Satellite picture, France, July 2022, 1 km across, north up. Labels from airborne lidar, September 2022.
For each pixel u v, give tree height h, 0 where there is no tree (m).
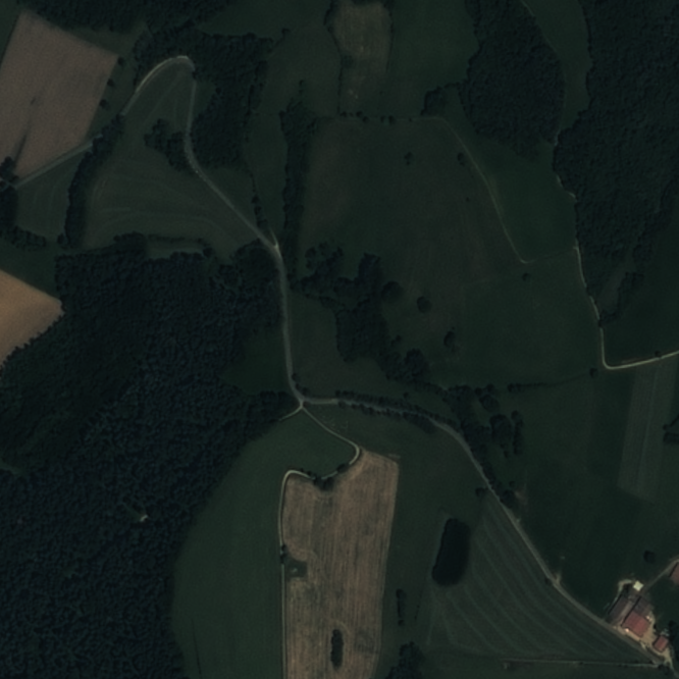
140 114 0
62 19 21
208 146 16
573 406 0
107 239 0
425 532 0
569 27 0
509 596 0
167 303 30
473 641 0
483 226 0
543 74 22
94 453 26
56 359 9
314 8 0
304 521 0
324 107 0
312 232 0
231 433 24
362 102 0
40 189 0
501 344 0
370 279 29
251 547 0
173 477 33
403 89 0
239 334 22
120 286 27
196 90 0
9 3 0
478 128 14
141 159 0
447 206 0
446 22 0
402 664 8
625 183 7
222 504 0
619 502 0
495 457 0
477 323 0
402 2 0
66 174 0
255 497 0
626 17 16
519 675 0
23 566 24
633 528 0
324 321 0
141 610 27
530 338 0
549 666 0
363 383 0
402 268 0
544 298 0
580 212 14
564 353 0
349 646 0
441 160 0
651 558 14
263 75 16
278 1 0
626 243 11
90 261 18
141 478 29
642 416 0
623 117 12
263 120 0
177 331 27
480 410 0
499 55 19
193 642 0
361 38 0
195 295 28
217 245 0
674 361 0
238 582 0
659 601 0
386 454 0
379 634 0
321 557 0
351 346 16
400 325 0
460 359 0
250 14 0
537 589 0
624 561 0
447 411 0
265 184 0
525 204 0
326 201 0
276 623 0
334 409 0
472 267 0
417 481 0
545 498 0
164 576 24
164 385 28
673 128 7
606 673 0
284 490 0
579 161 18
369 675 0
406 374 17
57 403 9
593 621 0
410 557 0
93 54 0
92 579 29
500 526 0
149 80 0
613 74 15
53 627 21
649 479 0
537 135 19
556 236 0
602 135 13
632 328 0
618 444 0
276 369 0
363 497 0
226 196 0
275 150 0
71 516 33
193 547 0
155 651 33
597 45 17
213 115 19
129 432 26
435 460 0
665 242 0
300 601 0
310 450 0
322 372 0
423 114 9
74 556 29
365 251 0
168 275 26
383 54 0
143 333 24
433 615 0
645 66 19
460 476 0
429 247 0
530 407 0
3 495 31
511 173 0
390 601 0
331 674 0
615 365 0
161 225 0
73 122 0
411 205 0
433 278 0
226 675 0
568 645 0
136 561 22
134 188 0
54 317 0
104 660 22
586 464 0
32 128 0
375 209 0
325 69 0
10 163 18
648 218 12
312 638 0
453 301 0
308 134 14
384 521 0
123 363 8
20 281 0
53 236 0
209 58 17
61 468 23
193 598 0
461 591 0
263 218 10
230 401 25
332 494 0
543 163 0
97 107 0
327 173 0
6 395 11
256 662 0
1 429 14
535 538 0
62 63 0
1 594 29
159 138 12
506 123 19
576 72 0
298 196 21
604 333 0
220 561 0
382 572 0
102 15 22
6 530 35
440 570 13
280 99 0
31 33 0
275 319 25
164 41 19
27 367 12
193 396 28
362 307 16
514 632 0
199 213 0
